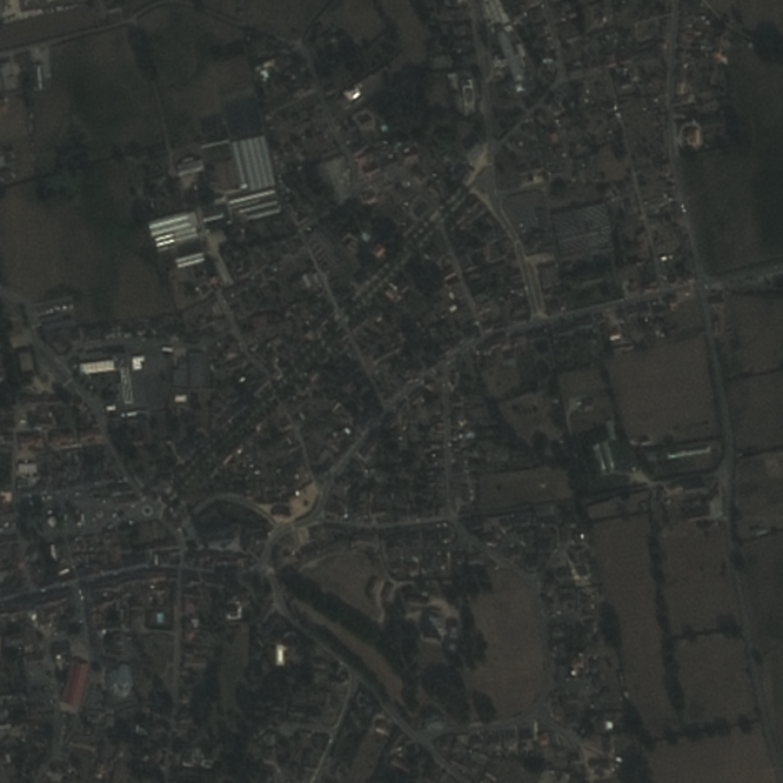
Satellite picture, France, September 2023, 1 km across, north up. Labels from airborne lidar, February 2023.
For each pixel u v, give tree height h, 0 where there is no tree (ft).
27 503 48
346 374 22
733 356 0
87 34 0
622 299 0
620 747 0
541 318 0
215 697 33
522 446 49
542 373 47
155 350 0
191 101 0
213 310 0
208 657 0
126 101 0
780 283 42
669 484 0
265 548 0
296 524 0
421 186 0
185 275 0
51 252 0
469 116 39
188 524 0
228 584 50
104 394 30
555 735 0
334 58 31
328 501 0
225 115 0
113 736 54
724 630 65
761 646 0
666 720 0
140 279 0
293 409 0
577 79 0
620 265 24
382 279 36
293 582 58
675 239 0
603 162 0
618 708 0
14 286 0
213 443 39
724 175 0
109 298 0
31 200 0
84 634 0
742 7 0
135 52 58
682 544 0
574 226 0
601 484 0
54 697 0
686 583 0
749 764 0
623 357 0
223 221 18
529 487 0
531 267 0
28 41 0
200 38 0
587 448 0
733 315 0
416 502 20
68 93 0
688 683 0
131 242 0
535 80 0
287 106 0
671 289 0
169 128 0
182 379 0
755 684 0
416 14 53
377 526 0
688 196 0
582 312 0
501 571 0
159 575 0
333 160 0
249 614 29
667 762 0
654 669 0
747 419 0
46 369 0
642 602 0
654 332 0
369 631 71
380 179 0
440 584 32
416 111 49
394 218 0
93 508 0
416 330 69
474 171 0
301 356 44
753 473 0
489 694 0
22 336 0
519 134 0
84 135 0
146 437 0
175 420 24
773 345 0
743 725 44
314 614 0
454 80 0
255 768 45
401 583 0
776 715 0
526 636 0
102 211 0
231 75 0
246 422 37
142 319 0
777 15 0
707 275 0
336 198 0
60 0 0
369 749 0
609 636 69
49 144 0
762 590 0
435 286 43
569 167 0
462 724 46
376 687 31
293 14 0
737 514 47
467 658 57
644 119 0
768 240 0
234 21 0
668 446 42
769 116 0
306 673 49
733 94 33
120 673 0
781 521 0
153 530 0
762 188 0
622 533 0
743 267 0
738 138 54
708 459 0
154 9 0
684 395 0
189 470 39
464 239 23
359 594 0
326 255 0
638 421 0
